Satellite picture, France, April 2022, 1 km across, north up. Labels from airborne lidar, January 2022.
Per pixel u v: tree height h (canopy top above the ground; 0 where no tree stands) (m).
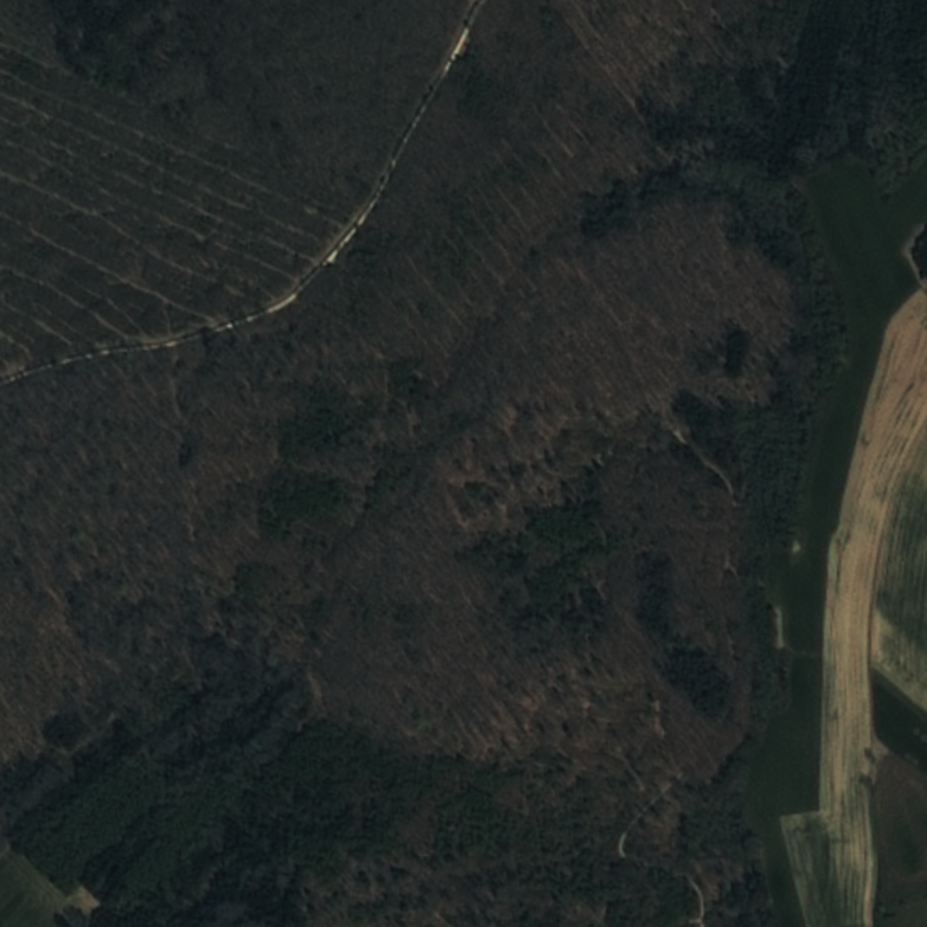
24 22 18
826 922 0
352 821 13
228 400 19
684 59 18
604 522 11
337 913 27
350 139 13
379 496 16
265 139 13
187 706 21
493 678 28
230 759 26
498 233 16
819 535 0
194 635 30
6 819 35
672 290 21
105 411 28
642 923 11
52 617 23
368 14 15
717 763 16
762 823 0
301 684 28
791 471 14
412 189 18
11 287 10
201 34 15
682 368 19
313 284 15
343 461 26
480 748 22
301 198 8
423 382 9
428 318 17
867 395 0
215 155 7
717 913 9
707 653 9
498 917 36
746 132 18
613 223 21
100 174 10
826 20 19
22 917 0
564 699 17
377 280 18
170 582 28
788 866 0
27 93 9
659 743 11
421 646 27
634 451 6
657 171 19
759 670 18
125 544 28
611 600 17
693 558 15
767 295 21
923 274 9
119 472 27
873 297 0
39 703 20
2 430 29
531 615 9
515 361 17
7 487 29
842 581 0
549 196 20
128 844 21
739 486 11
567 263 23
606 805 13
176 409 24
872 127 18
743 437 10
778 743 0
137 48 15
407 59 12
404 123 14
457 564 21
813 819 0
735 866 22
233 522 18
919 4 17
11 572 20
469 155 17
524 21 13
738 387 15
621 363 22
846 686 0
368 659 19
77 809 18
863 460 0
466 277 15
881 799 0
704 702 27
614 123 15
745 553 12
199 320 6
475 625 22
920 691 0
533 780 9
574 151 21
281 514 13
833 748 0
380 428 24
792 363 26
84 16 24
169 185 6
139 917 12
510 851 7
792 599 0
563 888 12
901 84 18
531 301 16
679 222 19
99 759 17
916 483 0
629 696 9
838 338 16
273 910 19
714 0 18
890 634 0
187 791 20
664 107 20
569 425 12
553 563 10
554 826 15
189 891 13
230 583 9
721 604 15
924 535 0
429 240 16
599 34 15
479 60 13
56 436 26
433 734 24
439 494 23
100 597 26
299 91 17
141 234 9
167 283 7
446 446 16
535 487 34
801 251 27
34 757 21
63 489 29
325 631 15
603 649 19
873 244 0
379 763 14
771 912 7
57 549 25
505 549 15
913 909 0
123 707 28
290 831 13
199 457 24
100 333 6
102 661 30
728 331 18
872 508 0
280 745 34
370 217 11
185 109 15
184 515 29
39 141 9
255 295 7
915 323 0
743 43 15
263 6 13
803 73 21
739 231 17
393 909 6
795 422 16
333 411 13
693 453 10
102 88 11
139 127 11
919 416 0
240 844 16
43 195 7
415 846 12
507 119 14
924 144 13
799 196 16
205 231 5
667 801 34
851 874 0
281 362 23
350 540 12
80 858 16
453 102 15
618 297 17
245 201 8
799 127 23
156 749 18
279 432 9
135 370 28
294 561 11
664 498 12
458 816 10
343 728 16
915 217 0
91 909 0
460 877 36
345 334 19
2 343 9
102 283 10
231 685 33
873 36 22
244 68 13
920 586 0
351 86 13
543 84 15
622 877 11
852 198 0
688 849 8
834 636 0
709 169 22
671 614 22
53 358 12
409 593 21
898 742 0
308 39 13
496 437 24
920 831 0
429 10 13
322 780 17
